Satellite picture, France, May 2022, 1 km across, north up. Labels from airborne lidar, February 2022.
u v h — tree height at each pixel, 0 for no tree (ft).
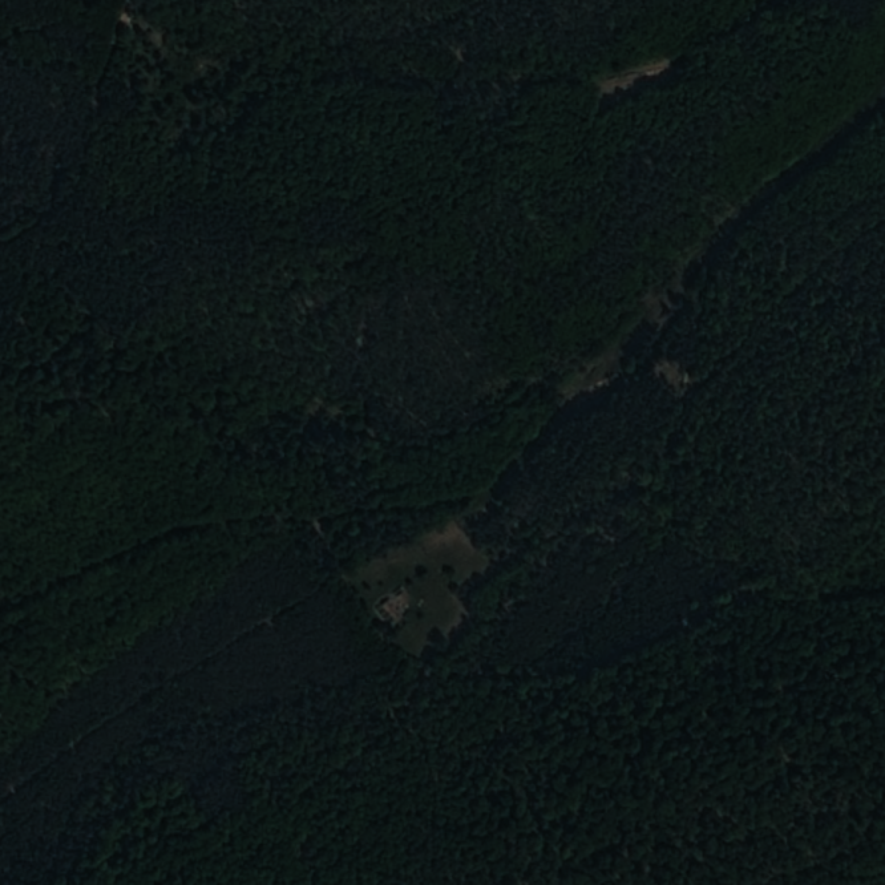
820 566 94
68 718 48
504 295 52
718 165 62
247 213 80
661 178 89
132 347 98
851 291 112
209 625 50
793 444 83
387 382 73
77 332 28
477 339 74
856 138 81
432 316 79
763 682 115
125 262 58
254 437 41
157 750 74
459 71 68
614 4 64
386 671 86
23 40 24
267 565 47
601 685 116
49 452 74
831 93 73
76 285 65
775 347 93
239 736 85
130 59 31
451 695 84
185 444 103
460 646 76
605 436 110
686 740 108
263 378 89
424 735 80
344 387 82
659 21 61
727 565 35
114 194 75
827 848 83
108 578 94
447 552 0
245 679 43
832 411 94
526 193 82
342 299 79
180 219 75
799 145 76
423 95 93
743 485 89
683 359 100
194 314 94
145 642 47
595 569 45
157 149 83
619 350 0
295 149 94
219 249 72
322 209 81
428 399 75
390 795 86
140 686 38
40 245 52
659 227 67
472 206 85
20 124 74
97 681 44
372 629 40
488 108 106
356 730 95
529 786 96
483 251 106
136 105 95
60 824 41
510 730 96
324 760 85
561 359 62
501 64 72
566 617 51
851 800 105
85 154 83
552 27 81
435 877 93
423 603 0
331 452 133
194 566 84
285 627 41
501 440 93
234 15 83
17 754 50
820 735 99
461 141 94
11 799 46
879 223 105
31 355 94
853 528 83
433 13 65
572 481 74
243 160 95
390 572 0
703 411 44
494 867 87
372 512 67
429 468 102
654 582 60
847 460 84
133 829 39
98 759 44
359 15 91
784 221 82
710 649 100
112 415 72
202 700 96
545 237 100
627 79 0
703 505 101
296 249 78
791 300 77
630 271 70
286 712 85
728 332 109
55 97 74
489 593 69
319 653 39
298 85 89
